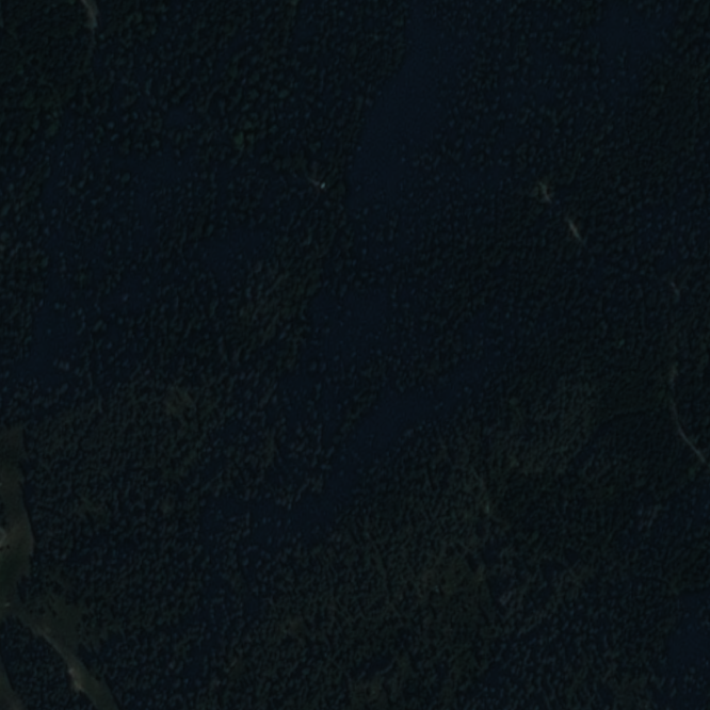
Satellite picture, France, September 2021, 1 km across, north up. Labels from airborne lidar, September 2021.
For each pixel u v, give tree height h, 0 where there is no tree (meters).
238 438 31
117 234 19
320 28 33
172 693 23
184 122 8
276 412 9
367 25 22
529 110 32
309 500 8
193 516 8
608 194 15
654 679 9
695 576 14
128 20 27
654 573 13
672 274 25
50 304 14
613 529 13
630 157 17
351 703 16
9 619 0
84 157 30
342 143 20
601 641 30
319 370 21
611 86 16
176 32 20
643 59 22
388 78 22
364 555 26
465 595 7
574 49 24
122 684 20
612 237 35
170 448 28
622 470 15
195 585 10
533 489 9
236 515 12
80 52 20
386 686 33
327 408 7
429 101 28
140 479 25
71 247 13
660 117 17
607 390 10
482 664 31
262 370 11
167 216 19
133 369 21
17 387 23
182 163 9
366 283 14
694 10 34
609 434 16
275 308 36
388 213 25
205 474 8
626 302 19
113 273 18
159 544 19
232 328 18
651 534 11
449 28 33
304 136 26
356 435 9
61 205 15
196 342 20
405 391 10
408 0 9
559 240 20
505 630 29
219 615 9
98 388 12
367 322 15
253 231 21
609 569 17
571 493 9
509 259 31
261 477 7
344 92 11
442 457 16
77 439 19
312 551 9
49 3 28
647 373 28
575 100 25
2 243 30
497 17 16
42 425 20
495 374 15
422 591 10
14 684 21
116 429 19
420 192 25
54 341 11
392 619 23
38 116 7
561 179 22
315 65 16
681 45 31
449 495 22
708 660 14
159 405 29
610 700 18
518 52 34
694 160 23
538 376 17
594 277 6
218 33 26
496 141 27
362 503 8
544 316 15
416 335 11
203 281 22
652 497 15
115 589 21
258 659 21
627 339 19
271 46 29
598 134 29
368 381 9
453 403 9
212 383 33
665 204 28
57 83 27
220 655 28
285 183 11
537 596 6
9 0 23
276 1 23
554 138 19
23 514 0
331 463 8
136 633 13
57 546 16
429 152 20
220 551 24
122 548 12
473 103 28
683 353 31
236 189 6
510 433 22
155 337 11
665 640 12
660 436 22
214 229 22
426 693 10
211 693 16
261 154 12
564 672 31
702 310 32
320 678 18
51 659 12
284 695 14
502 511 12
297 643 13
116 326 23
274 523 27
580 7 18
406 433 15
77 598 9
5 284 14
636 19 16
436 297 22
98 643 0
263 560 31
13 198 20
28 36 24
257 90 27
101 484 23
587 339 23
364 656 21
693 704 16
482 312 15
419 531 19
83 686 0
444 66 27
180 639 24
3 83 21
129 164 17
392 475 17
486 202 29
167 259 16
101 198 15
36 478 25
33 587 11
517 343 13
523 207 7
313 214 21
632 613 13
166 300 21
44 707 20
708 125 26
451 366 11
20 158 23
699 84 13
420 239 26
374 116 11
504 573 36
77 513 26
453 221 26
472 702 24
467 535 29
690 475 13
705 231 24
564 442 27
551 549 9
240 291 10
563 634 16
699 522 8
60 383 17
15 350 19
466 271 21
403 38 18
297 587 20
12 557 0
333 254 22
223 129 30
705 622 18
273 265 13
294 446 36
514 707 31
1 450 5
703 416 28
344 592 26
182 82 30
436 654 16
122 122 24
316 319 12
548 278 23
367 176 12
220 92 31
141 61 22
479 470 7
